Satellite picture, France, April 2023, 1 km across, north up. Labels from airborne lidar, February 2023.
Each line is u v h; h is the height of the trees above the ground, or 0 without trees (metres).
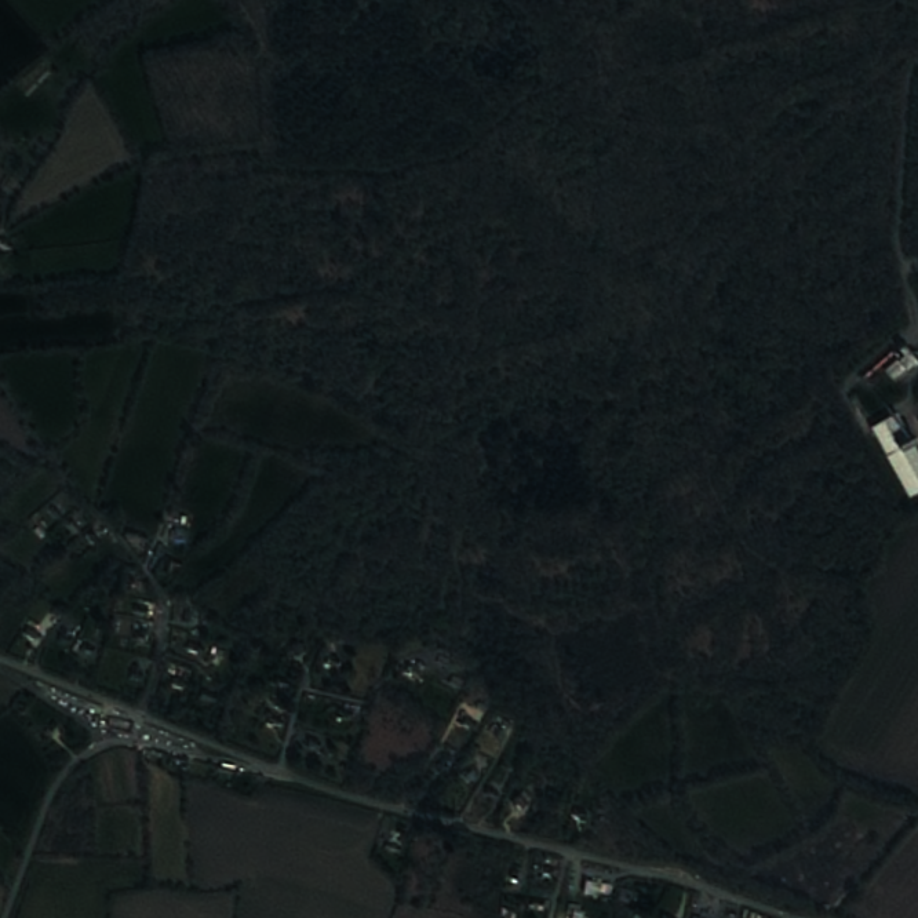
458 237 14
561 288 15
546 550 12
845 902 7
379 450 15
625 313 17
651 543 14
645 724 0
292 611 7
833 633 14
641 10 13
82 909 0
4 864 0
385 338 6
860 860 0
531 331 12
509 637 24
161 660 12
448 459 18
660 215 16
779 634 14
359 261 9
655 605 12
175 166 12
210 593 6
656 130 16
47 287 9
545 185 15
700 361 16
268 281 15
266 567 12
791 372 13
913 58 14
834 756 0
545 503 16
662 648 13
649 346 17
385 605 10
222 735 11
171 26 0
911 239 15
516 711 16
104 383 0
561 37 14
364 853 0
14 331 0
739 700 12
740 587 13
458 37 19
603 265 16
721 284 14
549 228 15
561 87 14
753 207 12
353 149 18
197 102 13
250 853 0
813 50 11
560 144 8
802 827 12
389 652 8
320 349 15
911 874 0
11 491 9
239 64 15
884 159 16
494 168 16
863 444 17
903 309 12
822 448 19
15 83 9
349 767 12
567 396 14
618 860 0
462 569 14
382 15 19
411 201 14
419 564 8
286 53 17
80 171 0
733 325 18
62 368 0
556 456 15
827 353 16
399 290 7
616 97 14
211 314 7
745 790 0
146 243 17
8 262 0
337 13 16
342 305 8
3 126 0
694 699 10
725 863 14
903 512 17
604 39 12
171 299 16
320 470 12
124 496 0
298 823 0
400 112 18
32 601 8
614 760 0
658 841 12
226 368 12
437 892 8
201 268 14
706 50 17
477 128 12
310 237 9
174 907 0
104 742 0
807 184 8
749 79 14
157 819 0
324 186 11
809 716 14
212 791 0
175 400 0
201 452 0
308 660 6
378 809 0
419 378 19
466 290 15
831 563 10
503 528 11
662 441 7
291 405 0
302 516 13
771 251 19
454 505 15
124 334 9
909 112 14
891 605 0
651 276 10
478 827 0
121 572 12
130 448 0
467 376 6
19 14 0
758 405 11
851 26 10
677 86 17
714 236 17
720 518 14
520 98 11
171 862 0
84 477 0
